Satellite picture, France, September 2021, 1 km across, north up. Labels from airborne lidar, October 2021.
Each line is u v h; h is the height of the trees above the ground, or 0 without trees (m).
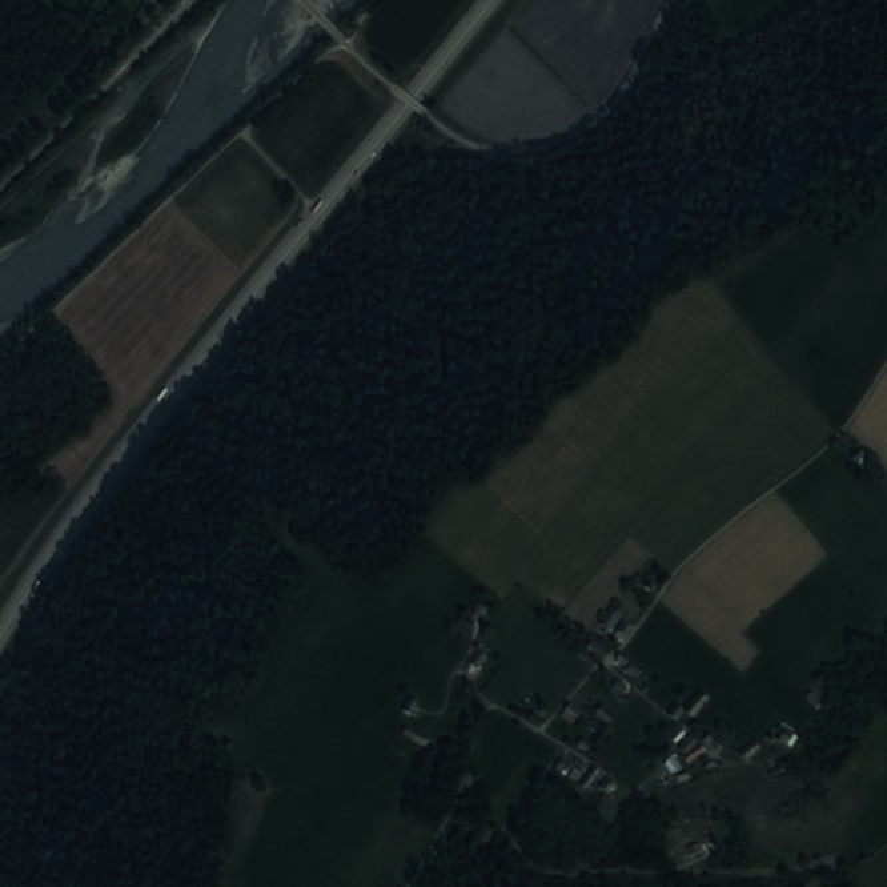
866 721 18
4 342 6
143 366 0
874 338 0
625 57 0
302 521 26
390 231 17
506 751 0
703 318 0
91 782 23
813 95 20
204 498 31
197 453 33
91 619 32
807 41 12
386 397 28
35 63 8
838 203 10
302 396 31
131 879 12
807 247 0
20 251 0
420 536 21
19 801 23
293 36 0
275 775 0
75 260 0
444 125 0
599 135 21
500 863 13
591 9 0
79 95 25
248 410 30
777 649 0
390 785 0
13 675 26
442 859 32
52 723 26
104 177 0
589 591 0
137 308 0
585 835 17
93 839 18
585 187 14
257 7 0
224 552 29
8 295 0
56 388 23
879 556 0
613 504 0
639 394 0
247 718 0
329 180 0
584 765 0
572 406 0
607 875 9
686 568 0
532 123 0
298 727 0
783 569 0
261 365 22
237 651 29
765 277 0
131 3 0
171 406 0
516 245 29
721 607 0
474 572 0
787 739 0
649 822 17
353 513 20
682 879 12
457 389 22
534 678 0
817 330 0
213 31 0
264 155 0
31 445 24
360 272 22
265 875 0
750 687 0
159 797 29
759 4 0
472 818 16
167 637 20
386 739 0
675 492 0
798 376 0
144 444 0
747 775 0
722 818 14
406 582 0
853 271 0
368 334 30
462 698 6
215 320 0
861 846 0
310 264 20
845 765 25
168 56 0
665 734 10
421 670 0
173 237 0
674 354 0
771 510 0
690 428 0
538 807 20
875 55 12
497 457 27
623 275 25
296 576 28
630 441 0
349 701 0
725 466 0
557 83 0
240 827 0
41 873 24
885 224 0
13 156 24
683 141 34
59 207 0
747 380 0
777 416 0
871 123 14
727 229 33
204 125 0
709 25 28
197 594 9
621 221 12
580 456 0
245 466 30
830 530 0
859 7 19
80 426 25
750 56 19
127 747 29
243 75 0
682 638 0
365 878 0
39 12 19
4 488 22
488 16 0
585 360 28
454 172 22
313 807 0
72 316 0
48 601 24
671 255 18
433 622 0
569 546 0
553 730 0
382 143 0
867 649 15
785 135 22
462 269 26
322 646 0
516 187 25
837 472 0
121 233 12
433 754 14
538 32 0
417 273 20
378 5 8
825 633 0
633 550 0
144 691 26
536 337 29
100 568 31
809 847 0
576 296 28
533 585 0
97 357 0
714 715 0
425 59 0
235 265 0
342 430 36
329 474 35
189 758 32
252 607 29
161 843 30
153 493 30
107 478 0
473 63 0
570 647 8
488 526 0
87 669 21
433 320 24
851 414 0
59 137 12
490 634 17
